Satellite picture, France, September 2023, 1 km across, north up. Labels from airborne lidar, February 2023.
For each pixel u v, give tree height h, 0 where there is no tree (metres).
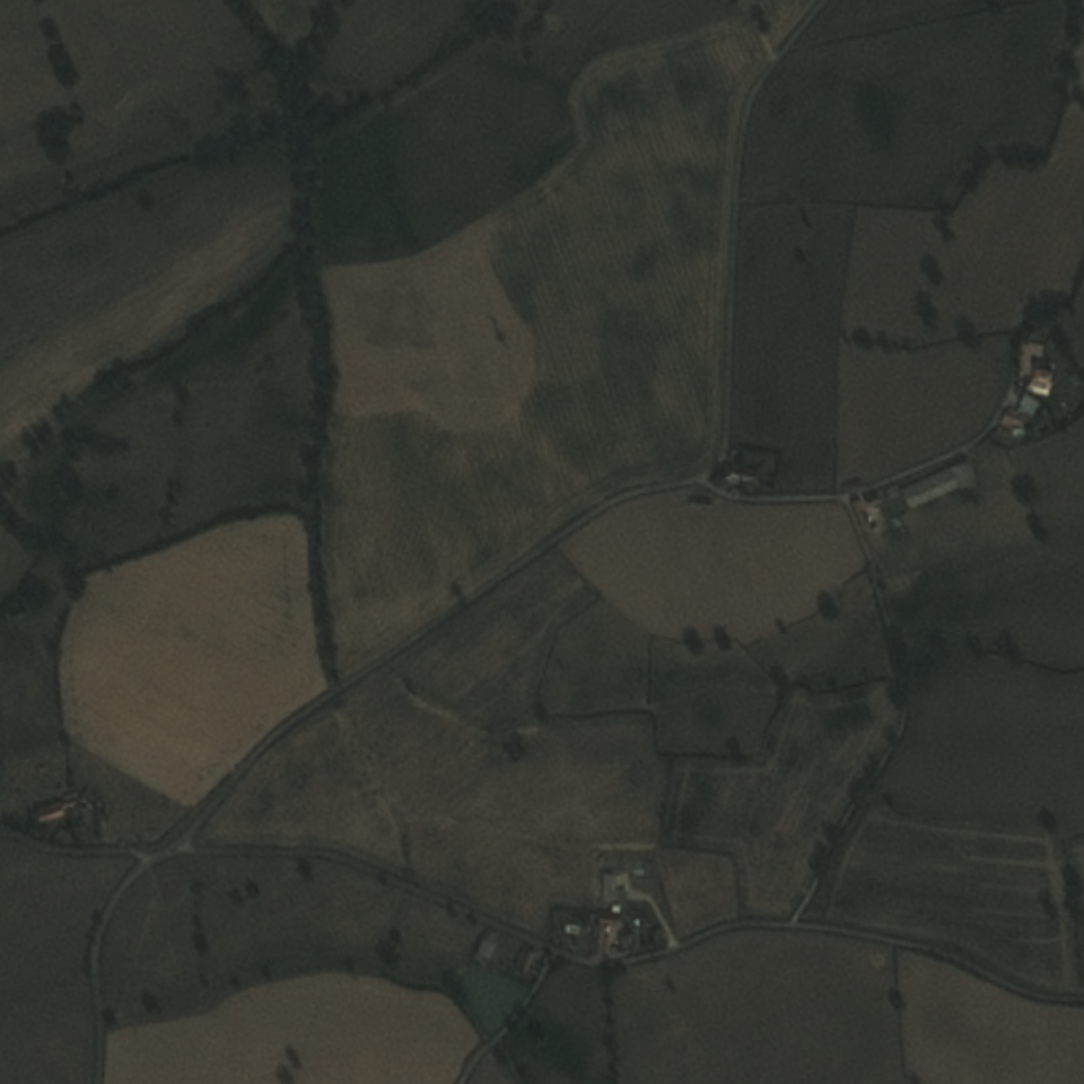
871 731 0
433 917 0
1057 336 12
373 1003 0
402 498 0
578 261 0
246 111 0
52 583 0
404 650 0
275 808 0
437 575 0
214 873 0
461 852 0
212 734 0
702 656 0
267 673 0
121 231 0
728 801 0
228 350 0
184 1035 0
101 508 0
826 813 0
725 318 0
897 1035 0
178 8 0
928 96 0
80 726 0
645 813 0
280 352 0
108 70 0
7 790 0
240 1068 0
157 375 0
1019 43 0
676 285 0
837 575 0
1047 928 0
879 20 0
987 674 0
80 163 0
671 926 0
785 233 0
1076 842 0
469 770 0
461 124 0
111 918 0
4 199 0
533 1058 0
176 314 0
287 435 0
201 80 0
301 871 12
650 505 0
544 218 0
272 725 0
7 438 0
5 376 0
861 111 0
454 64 0
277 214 0
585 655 0
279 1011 0
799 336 0
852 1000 0
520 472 0
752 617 0
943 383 0
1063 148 0
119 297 0
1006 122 0
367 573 0
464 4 0
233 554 0
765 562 0
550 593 0
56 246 0
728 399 0
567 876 0
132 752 0
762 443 0
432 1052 0
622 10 0
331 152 0
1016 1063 0
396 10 0
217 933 0
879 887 0
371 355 0
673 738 0
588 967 0
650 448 0
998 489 0
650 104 0
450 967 0
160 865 0
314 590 7
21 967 0
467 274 0
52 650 12
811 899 0
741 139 0
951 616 0
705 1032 0
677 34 0
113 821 0
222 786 0
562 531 0
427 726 0
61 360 0
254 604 0
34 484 0
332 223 0
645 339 0
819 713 0
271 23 0
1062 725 0
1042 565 0
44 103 0
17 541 12
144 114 0
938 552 0
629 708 0
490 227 0
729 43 0
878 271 0
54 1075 0
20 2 0
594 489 0
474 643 0
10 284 0
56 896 0
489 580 0
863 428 0
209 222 0
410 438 0
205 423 0
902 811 0
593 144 0
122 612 0
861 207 0
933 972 0
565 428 0
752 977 0
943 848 0
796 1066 0
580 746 0
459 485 0
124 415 0
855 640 0
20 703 0
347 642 0
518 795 0
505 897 0
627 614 0
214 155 19
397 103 0
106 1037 0
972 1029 0
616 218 0
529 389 0
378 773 0
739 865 0
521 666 0
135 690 0
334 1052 0
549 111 0
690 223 0
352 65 0
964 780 0
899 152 0
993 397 0
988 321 0
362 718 0
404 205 0
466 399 0
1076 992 0
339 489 0
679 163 0
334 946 0
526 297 0
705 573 0
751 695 0
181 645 0
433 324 0
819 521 0
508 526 0
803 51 0
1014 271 0
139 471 0
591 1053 0
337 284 0
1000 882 0
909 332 0
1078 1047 0
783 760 0
